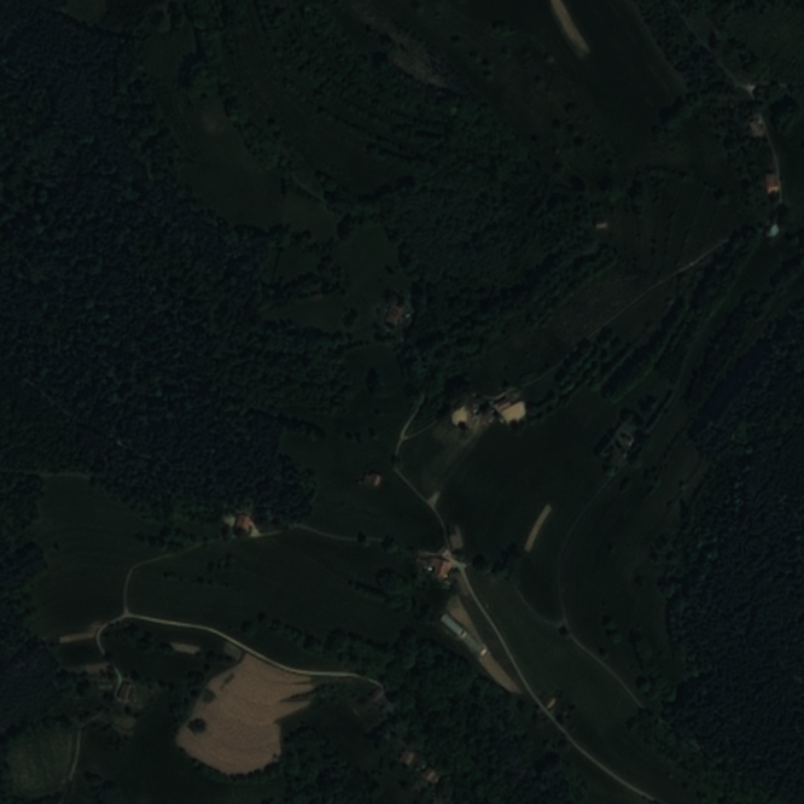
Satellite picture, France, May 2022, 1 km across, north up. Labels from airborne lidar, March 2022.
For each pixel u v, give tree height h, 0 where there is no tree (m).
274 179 0
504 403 0
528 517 0
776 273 0
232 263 10
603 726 0
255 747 0
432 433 0
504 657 0
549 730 0
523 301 23
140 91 21
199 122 0
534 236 10
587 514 0
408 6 0
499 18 0
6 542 14
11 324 23
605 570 0
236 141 0
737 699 27
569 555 0
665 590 16
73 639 0
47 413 13
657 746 7
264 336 19
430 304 17
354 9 0
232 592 0
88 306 13
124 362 24
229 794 0
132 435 24
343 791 17
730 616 26
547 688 0
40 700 31
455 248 22
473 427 0
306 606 0
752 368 27
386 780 0
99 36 29
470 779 16
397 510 0
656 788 0
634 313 0
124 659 0
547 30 0
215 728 0
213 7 17
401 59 0
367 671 17
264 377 16
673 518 0
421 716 20
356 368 0
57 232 29
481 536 0
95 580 0
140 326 14
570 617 0
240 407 23
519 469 0
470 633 0
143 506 16
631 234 0
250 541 0
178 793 0
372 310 0
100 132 33
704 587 24
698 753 18
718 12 19
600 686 0
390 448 0
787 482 17
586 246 14
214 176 0
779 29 0
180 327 22
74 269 24
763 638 19
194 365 19
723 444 26
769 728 21
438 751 10
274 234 12
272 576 0
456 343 8
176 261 10
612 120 0
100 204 29
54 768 0
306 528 0
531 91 0
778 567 17
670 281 0
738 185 0
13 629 20
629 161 0
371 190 0
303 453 0
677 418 0
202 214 27
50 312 27
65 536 0
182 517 14
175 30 9
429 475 0
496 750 23
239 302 16
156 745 0
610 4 0
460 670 24
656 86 0
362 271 0
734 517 13
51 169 18
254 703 0
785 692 18
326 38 14
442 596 0
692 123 0
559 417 0
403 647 20
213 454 28
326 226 0
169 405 26
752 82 0
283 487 25
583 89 0
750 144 17
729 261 13
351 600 0
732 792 17
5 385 19
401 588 21
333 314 0
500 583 0
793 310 10
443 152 20
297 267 0
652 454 0
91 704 0
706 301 18
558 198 8
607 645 0
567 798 23
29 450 14
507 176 22
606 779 0
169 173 20
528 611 0
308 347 24
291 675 0
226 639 0
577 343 0
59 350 8
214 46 21
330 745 12
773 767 23
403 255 10
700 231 0
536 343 0
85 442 23
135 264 12
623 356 9
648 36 0
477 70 0
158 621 0
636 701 0
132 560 0
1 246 9
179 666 0
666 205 0
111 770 0
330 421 0
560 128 11
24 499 14
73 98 31
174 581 0
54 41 33
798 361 20
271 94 0
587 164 0
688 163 0
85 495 0
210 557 0
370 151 11
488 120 19
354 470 0
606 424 0
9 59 30
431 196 19
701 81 16
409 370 26
